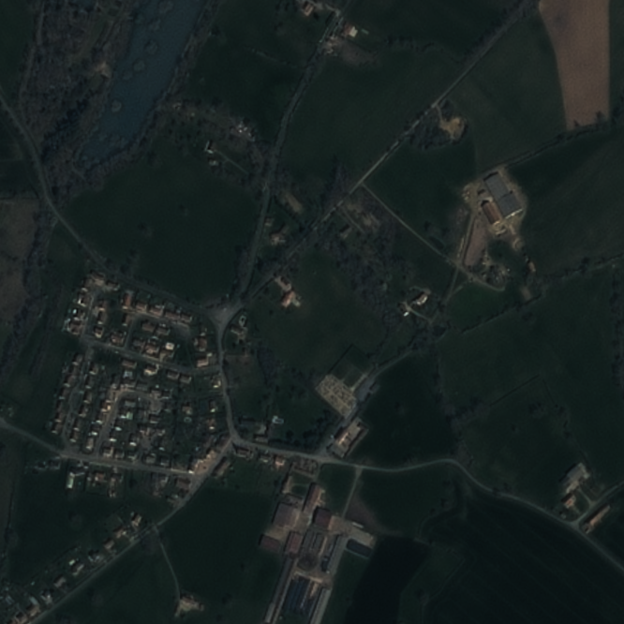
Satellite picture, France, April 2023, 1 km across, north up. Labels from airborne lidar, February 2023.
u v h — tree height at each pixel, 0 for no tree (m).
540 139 0
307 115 0
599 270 0
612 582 0
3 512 0
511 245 0
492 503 0
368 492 0
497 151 0
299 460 9
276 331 0
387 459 0
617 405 0
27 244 0
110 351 0
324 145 0
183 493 9
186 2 0
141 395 0
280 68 0
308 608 0
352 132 0
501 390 0
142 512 0
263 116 0
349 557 0
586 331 0
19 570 0
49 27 13
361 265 22
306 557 0
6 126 0
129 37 0
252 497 0
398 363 0
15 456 0
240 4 0
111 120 0
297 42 0
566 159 0
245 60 0
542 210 0
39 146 0
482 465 0
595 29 0
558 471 0
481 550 0
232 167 0
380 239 6
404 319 13
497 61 0
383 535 0
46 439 0
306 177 0
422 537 0
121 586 0
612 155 0
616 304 16
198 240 0
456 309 0
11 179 0
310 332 0
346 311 0
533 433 0
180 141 7
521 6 15
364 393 0
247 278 12
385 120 0
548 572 0
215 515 0
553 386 0
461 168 0
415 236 0
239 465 0
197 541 0
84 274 0
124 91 0
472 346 0
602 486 0
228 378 8
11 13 0
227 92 0
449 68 0
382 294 19
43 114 11
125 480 0
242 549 0
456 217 0
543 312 0
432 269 0
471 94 0
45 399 0
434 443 0
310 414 0
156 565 0
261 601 0
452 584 0
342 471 0
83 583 0
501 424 0
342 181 17
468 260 0
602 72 0
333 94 0
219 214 0
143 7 0
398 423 0
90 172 8
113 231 0
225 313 0
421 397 0
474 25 0
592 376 0
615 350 12
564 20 0
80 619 0
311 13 0
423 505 0
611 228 0
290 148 0
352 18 0
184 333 0
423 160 0
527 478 0
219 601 0
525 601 0
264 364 15
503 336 0
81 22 10
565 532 0
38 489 0
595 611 0
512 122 0
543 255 0
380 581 0
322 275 0
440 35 0
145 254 0
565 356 0
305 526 0
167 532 0
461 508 0
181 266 0
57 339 0
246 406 0
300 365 0
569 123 0
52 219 6
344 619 0
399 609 0
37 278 15
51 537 0
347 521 0
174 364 0
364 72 0
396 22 0
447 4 0
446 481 0
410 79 0
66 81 7
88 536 0
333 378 0
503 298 0
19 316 0
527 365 0
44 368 0
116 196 0
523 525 0
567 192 0
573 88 0
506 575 0
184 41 0
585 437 0
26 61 14
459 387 0
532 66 0
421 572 0
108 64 6
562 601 0
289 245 18
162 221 0
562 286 12
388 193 0
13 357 19
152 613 0
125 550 0
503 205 0
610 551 0
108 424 0
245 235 0
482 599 0
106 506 0
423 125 7
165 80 0
